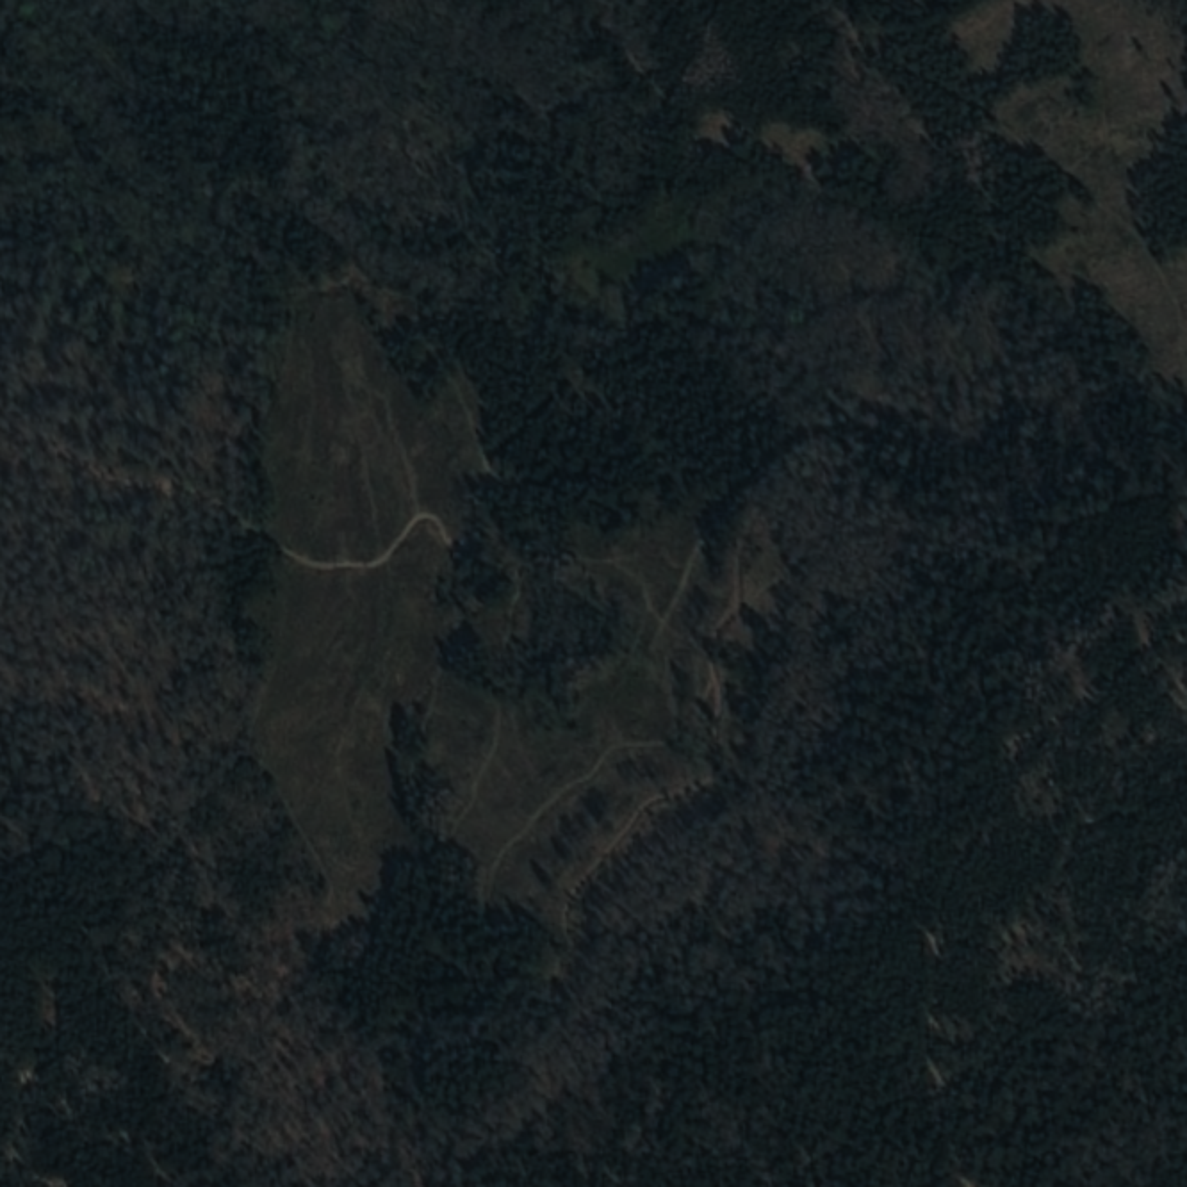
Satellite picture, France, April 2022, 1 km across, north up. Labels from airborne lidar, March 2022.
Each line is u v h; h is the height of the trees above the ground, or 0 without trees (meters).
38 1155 18
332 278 26
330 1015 31
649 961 27
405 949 25
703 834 31
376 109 22
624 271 0
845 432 21
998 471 20
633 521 18
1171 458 19
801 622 30
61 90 25
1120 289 0
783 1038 32
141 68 30
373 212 26
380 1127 34
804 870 33
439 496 0
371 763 0
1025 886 19
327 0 29
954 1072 21
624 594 0
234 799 19
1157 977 19
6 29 17
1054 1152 20
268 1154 27
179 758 39
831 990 24
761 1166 21
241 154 24
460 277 27
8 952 21
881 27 22
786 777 28
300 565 0
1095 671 22
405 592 0
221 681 31
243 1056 29
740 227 9
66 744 30
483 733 0
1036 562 25
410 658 0
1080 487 25
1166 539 9
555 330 27
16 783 18
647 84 18
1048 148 0
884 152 27
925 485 21
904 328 30
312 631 0
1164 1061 20
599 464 24
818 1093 27
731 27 26
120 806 29
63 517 38
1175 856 13
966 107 24
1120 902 20
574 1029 30
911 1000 21
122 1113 16
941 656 18
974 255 23
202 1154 26
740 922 28
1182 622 15
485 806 0
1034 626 13
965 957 18
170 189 34
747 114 28
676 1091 24
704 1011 25
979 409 18
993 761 18
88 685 32
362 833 0
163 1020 22
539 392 28
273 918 15
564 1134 17
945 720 29
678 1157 26
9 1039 19
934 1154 25
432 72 22
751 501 26
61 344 9
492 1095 32
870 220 23
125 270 17
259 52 27
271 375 24
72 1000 18
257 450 24
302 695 0
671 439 22
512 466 28
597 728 0
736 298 34
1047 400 29
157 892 26
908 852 22
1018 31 0
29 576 34
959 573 13
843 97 30
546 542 22
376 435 0
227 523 26
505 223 32
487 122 30
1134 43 0
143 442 26
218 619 35
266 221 14
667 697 0
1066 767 21
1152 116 0
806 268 30
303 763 0
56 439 35
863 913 28
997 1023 20
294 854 16
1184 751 20
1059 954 19
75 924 23
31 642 29
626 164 36
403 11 25
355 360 0
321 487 0
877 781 17
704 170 31
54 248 25
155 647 37
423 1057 25
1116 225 0
